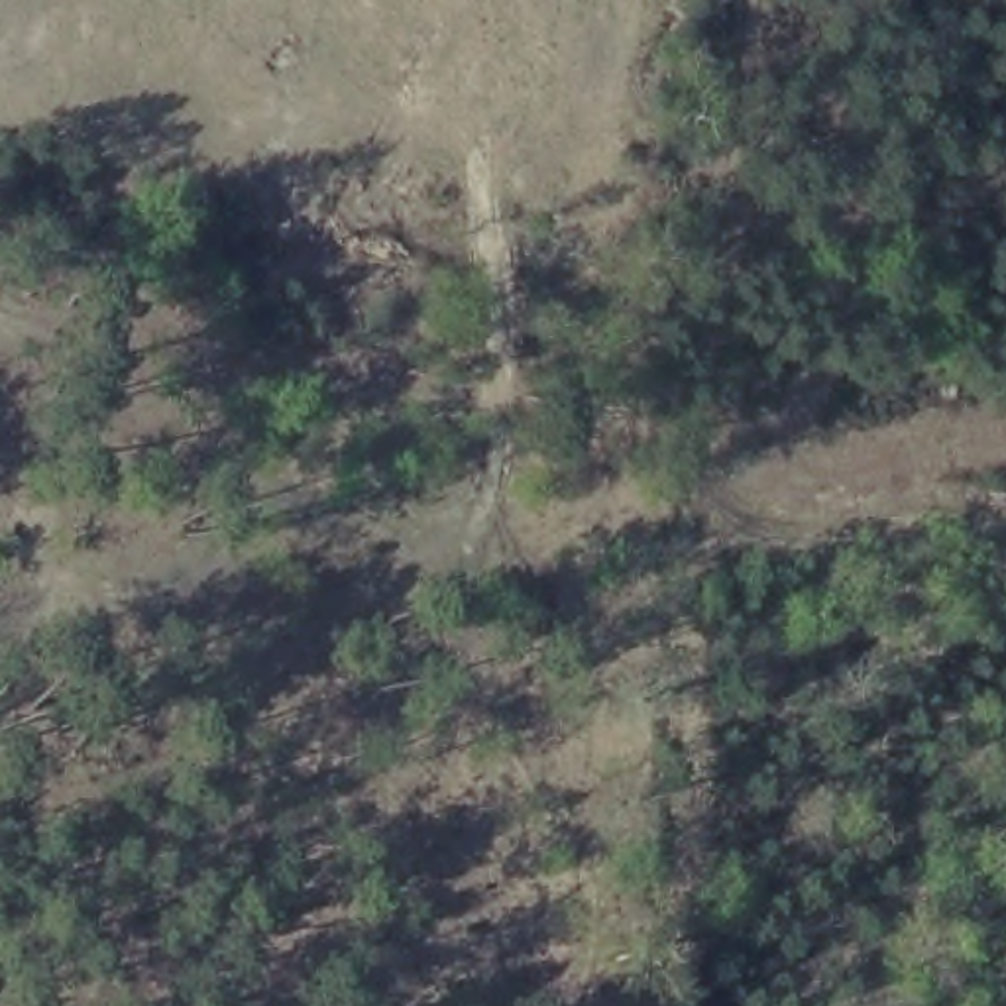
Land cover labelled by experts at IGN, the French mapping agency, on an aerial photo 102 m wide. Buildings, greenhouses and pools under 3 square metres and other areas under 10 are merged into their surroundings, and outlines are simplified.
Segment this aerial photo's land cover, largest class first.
<instances>
[{"label":"herbaceous vegetation","instance_id":"1","mask_svg":"<svg viewBox=\"0 0 1006 1006\"><path fill-rule=\"evenodd\" d=\"M664 0H0V126L51 122L63 141L94 149V224L79 208L59 169L31 161L16 173L24 196L35 208L47 204L51 212H59L75 236L90 244L114 240L122 224L130 169L141 157H153L165 177L181 173L193 185L189 204L196 216V240L228 271L244 275V291L259 307H279L287 299V283L299 279L318 303H326L330 322L342 330L334 346H322L314 338H287L279 350H240L200 334L204 318L189 314L185 307H173L165 299V287H141L138 299L122 303L110 314V342L114 350H122V365L114 369V385L106 397L114 417L98 432V440L102 448H114L122 479L134 475L161 448L173 456L177 472L173 487L149 519H102L63 499L39 503L31 511L20 495L24 472L31 464L55 460L51 436L39 440L24 420V393L43 385L51 342H59L71 330L67 314L83 303L79 271L39 267L31 279V299L0 295V644L24 652L28 625L47 609L55 617L102 609L114 625V648H122L134 660V676L141 680L126 696V715L114 719V743H83L79 731L55 723L51 703L59 696L43 676L28 672L12 680L0 696V723L24 715L28 731L43 735V751H35V774H43V802L35 806L24 798H0V861L12 872H31L39 857H24L20 841L35 833L51 810L63 806L86 813L83 829L94 841H106L110 849H118L122 841H141L149 853L161 857L169 833L122 810L114 802V778L145 770L149 806L169 813V735L185 727L189 707L196 699H216L224 719L232 723L236 751L212 770L208 782L232 798L236 817L189 841V853L181 857L173 884L153 888L134 872L126 880H110L106 865L90 857L75 865V884L90 888V904L83 908V916L98 927L106 943L118 947V971L110 978L94 982L79 963H55L47 951L51 939L43 931V916L28 904V896H8V923L16 927L20 947L35 967V986L51 1006H189L181 998L177 971L169 967V951L161 947V916L181 912L204 872H220L228 861H240L244 853L248 876H267L279 861V821L295 825L307 865L299 892L252 943L263 978L252 990L248 1006H310L303 998V986L326 967V959L350 951L346 927L354 923V884L350 868L338 861L334 825H358L369 837H377L385 845L389 884L432 904L428 920L417 927L401 923L397 916L377 920L369 943L373 967L362 978V986L377 994L385 1006H672L656 994L664 990V978L680 971L688 959L699 990L696 1006H743L747 994L774 982V975L798 978V1006H904L892 990L884 955L868 947L857 931V916L868 908L880 920H896L916 912L920 904V861L927 853L923 817L935 790L927 774H904L876 802L900 868V892H884V876L872 865V857L857 861L849 884L810 916V943L802 955H786L778 943H762L739 920L707 916L703 900L696 896L703 876H711L723 865L727 853L758 849L762 841H774L782 857L755 884L762 896L774 900L778 892L798 888L813 872V853L806 837L782 810L751 806L739 817L735 833H723L719 817L707 813L711 778L719 786L751 782L766 766L770 743L790 731V696L798 688H833L845 668L861 664L872 652L868 633H849L837 644L821 648L762 652L758 633L782 617L790 601L782 582H770L758 613L739 633L743 672L751 684L766 692V703L762 715L747 727L735 755L715 758L703 703L715 696L719 680L707 676V648L696 633L699 597L715 574L735 570L743 558L735 546L703 550V515H688L680 507L664 519H644V511L637 507V487L621 475L633 468L641 444H652L660 436L664 417H633L629 405H609L593 424L586 460L570 472H558L554 479V499H546L538 511L523 515L511 507V527L542 570L503 566L495 574L523 597L542 605L538 621L527 633L554 637L558 629H574L586 641V696L593 707H578L570 719H554L542 703V684L531 672H503L487 660L479 625L460 621L456 633L432 637L420 625V617L413 613V589L424 574L440 554L428 546L424 531L440 523L424 503H444V487H424L420 479L405 483L393 468L401 452L417 444V428L405 420L401 409L405 397L424 401L432 413H440L444 432L460 448V479L487 472L491 456V444L468 432L464 424V417L475 409V393L448 389L405 362L409 342H417L420 330V287L428 283V275L444 267L452 275H464V267L475 259V240L468 236L464 173L468 153H483L491 165V200L503 208V236L511 244L515 287L534 307H593L601 287L593 252L617 228L664 208L668 200H692L699 193L703 200H711L719 208L715 252L747 248L758 263L770 259V248L786 232H794V220L786 212L762 208L751 193L739 189L735 157L743 153V141L723 134L711 145L715 157L703 169H692L676 145L652 141L648 102L668 75L660 63L641 59V39L656 31V8ZM350 145L362 149V169L322 177L318 153H338ZM307 373L322 377V401L342 417H334L330 436H322L318 448H307L295 432L283 440V452L291 460L279 468V483L252 487L244 495V515L263 534H252L248 542H228V534H216L208 527L200 479L212 468H232L240 456L263 444L275 409L255 397L252 381H291ZM369 409L381 413L385 432L369 440L365 483L350 495H330L334 475L342 472V448L350 440L346 417ZM283 550H291L295 562H307L314 578L310 593L279 589L255 570L263 558H275ZM169 617H181L196 629L216 668L181 672L161 656V625ZM369 617H381L397 641V664L385 680H354L334 656L342 633ZM444 648L468 668L472 688L444 711L436 727L417 723L405 715V703L420 684V664L428 656L440 660ZM369 731H389L393 739L397 766L385 774H365L358 762V739H365ZM652 743H672L684 755L692 778L684 790L676 778H652ZM629 841H652L668 857V868L641 888L621 884L617 872H605L597 865ZM707 8L703 35L715 55H747L755 47L762 0H699ZM798 134L813 153L825 157L833 173L880 157V141L872 130H853L837 114H806ZM971 181L975 204H986L994 193H1006V161L994 173H963ZM868 193L849 189V200L841 208L825 212V232L837 244L868 248ZM688 338L711 358L707 373L715 397V409L703 424L699 460V475L707 483L727 479L751 511H762L782 523H817L821 531H829L845 519H888L892 527L927 531L931 519L943 515H955L959 527H967V507L978 499L1006 519V413L998 409V397L978 401L959 385H943L908 420L845 428L841 417L857 409L861 385L837 373H806L802 365H786L782 377L766 373V350L751 334L699 322ZM810 550V593H821L829 586L841 554L829 542H817Z\"/></svg>","mask_w":1006,"mask_h":1006},{"label":"coniferous trees","instance_id":"2","mask_svg":"<svg viewBox=\"0 0 1006 1006\"><path fill-rule=\"evenodd\" d=\"M656 31L641 39V59L660 63L668 75L648 102L652 141L676 145L692 169H703L715 157L711 145L723 134L743 141V153L735 157L739 189L751 193L762 208L786 212L794 220V232H786L770 248V259L758 263L747 248L715 252L719 208L711 200H703L699 193L692 200H668L664 208L617 228L593 252L601 287L593 307H534L523 318V338L515 342V397L511 405H503L511 413L515 448L523 456H546V475L554 479L558 472H570L586 460L593 424L609 405H629L633 417H664L660 436L680 440L699 460L703 424L715 409V397L707 373L711 358L688 338L699 322L751 334L766 350V373L782 377L786 365H802L806 373H837L861 385L857 409L841 417L845 428L908 420L943 385H959L978 401L998 397V409L1006 413V193H994L986 204H975L971 181L963 173H994L1006 161V0H762L755 47L747 55H715L703 35L707 8L699 0H664L656 8ZM806 114H837L853 130H872L880 141V157L833 173L825 157L813 153L798 134ZM849 189L868 193V248L837 244L825 232V212L841 208L849 200ZM31 161L59 169L79 208L94 224V149L63 141L51 122L0 126V295L31 299V279L39 267L79 271L83 303L67 314L71 330L59 342H51L43 385L24 393V420L39 440L51 436L55 460L31 464L24 472L20 495L31 511L39 503L63 499L102 519H149L173 487L177 472L173 456L161 448L134 475L122 479L114 448H102L98 440V432L114 417L106 397L114 385V369L122 365V350H114L110 342V314L122 303L138 299L141 287H165V299L173 307H185L189 314L204 318L200 334L240 350H279L287 338H314L322 346H334L342 330L330 322L326 303H318L299 279L287 283V299L279 307H259L244 291V275L228 271L196 240V216L189 204L193 185L181 173L165 177L153 157H141L130 169L122 224L114 240L90 244L75 236L59 212H51L47 204L35 208L24 196L16 173ZM362 169V149L350 145L338 153H318L322 177ZM405 362L448 389L475 393L499 369L495 354H487V334L472 346L456 334L428 338L420 330L417 342H409ZM255 397L275 409L263 444L240 456L232 468H212L200 479L208 527L216 534H228V542H248L252 534H263L244 515V495L252 487L279 483V468L291 460L283 452V440L295 432L307 448H318L322 436H330L334 417H342L322 401V377L307 373L291 381H252ZM401 409L405 420L417 428V444L401 452L393 468L405 483L420 479L424 487H444L460 479V448L444 432L440 413H432L424 401L405 397ZM350 440L342 448V472L334 475L330 495H350L365 483L369 440L385 432L381 413L369 409L346 417ZM810 550L766 554L762 546H751V554L743 558L735 570L715 574L699 597L696 633L707 648V676L719 680L715 696L703 703L715 758L735 755L747 727L762 715L766 703V692L751 684L743 672L739 633L758 613L770 582H782L790 601L782 617L758 633L762 652L821 648L837 644L849 633H868L872 652L861 664L845 668L833 688H798L790 696V731L770 743L766 766L751 782L719 786L711 778L707 813L719 817L723 833H735L739 817L751 806L782 810L806 837L813 853V872L798 888L778 892L774 900L762 896L755 884L782 857L774 841H762L758 849L727 853L723 865L711 876H703L696 896L703 900L707 916L739 920L762 943H778L786 955H802L810 943V916L849 884L857 861L872 857V865L884 876V892H900V868L876 802L904 774H927L935 790L923 817L927 853L920 861V904L916 912L896 920H880L868 908L857 916V931L868 947L884 955L892 990L904 1006H1006V558L994 550V542L971 538L967 527H959L955 515H943L931 519L927 531V538L912 546H880L872 531H861L853 546L841 554L829 586L821 593H810ZM255 570L279 589L310 593L314 578L307 562H295L291 550H283L275 558H263ZM542 605L523 597L495 574H424L413 589V613L420 617V625L432 637L456 633L460 621L479 625L487 660L503 672H531L542 684V703L554 719H570L578 707H593L586 696V641L574 629H558L554 637L527 633L538 621ZM28 672L43 676L59 696L51 703L55 723L79 731L83 743H114V719L126 715V696L141 680L134 676V660L122 648H114V625L102 609L55 617L47 609L28 625L24 652L0 644V696L12 680ZM161 656L181 672L216 668L196 629L181 617H169L161 625ZM334 656L354 680H385L397 664V641L381 617H369L342 633ZM472 688L468 668L444 648L440 660L428 656L420 664V684L405 703V715L417 723L436 727L444 711ZM236 751L232 723L224 719L216 699H196L189 707L185 727L169 735V813L149 806L145 770L114 778V802L122 810L169 833L161 857L149 853L141 841H122L118 849H110L106 841H94L83 829L86 813L63 806L51 810L35 833L20 841L24 857H39L31 872H12L0 861V1006H51L35 986V967L20 947L16 927L8 923V896H28V904L43 916V931L51 939L47 951L55 963H79L94 982L110 978L118 971V947L106 943L98 927L83 916V908L90 904V888L75 884V865L90 857L106 865L110 880H126L134 872L153 888L173 884L181 857L189 853V841L236 817L232 798L208 782L212 770ZM35 751H43V735L28 731L24 715L0 723V798H24L35 806L43 802V774H35ZM358 762L365 774H385L397 766L393 739L389 731H369L365 739H358ZM652 778H676L684 790L692 778L684 755L672 743H652ZM279 861L267 876H248L244 853L240 861H228L220 872H204L181 912L161 916V947L169 951V967L177 971L181 998L189 1006H248L252 990L263 978L252 943L299 892L307 865L295 825L279 821ZM338 861L350 868L354 884V923L346 927L350 951L326 959V967L303 986V998L310 1006H385L377 994L362 986V978L373 967L369 943L377 920L397 916L401 923L417 927L428 920L432 904L389 884L385 845L377 837H369L358 825H334ZM743 1006H798V978L774 975V982L747 994Z\"/></svg>","mask_w":1006,"mask_h":1006},{"label":"pervious surface","instance_id":"3","mask_svg":"<svg viewBox=\"0 0 1006 1006\"><path fill-rule=\"evenodd\" d=\"M468 236L475 240V259L487 267L491 279V299L483 307V322L491 326L487 334V354H495L499 369L475 393V409L464 417V424L468 432L491 444V456L487 472L460 479L444 487V503H424L440 523L424 531L428 546L440 554L424 574H495L503 566L542 570L511 527V507L507 479L515 472V448L511 413L503 405H511L515 397V342L523 338V318L534 307L515 287L511 244L503 236V208L491 200V165L483 153H468L464 173Z\"/></svg>","mask_w":1006,"mask_h":1006},{"label":"deciduous trees","instance_id":"4","mask_svg":"<svg viewBox=\"0 0 1006 1006\"><path fill-rule=\"evenodd\" d=\"M491 299V279L487 267L475 259L464 267V275H452L444 267L428 275V283L420 287V330L428 338L456 334L472 346L487 334L491 326L483 322V307ZM621 475L637 487V507L644 511V519H664L680 507L684 491L699 475V460L680 440L660 436L652 444H641L633 468ZM546 499H554V479L546 475V456H523L515 448V472L507 479L511 507L523 515L538 511ZM597 865L605 872H617L621 884L641 888L668 868V857L652 841H629ZM672 1006H696L699 990L688 959L680 971L664 978V990L656 994Z\"/></svg>","mask_w":1006,"mask_h":1006},{"label":"bare soil","instance_id":"5","mask_svg":"<svg viewBox=\"0 0 1006 1006\"><path fill-rule=\"evenodd\" d=\"M680 507L688 515H703V550L735 546L743 558L751 554V546H762L766 554L810 550L817 542H829L841 554L853 546L861 531H872L880 546H912L927 538V531L892 527L888 519H845L829 531H821L817 523H782L762 511H751L727 479L707 483L699 475L684 491ZM971 538L994 542V550L1006 558V519L978 499L967 507V527Z\"/></svg>","mask_w":1006,"mask_h":1006}]
</instances>
